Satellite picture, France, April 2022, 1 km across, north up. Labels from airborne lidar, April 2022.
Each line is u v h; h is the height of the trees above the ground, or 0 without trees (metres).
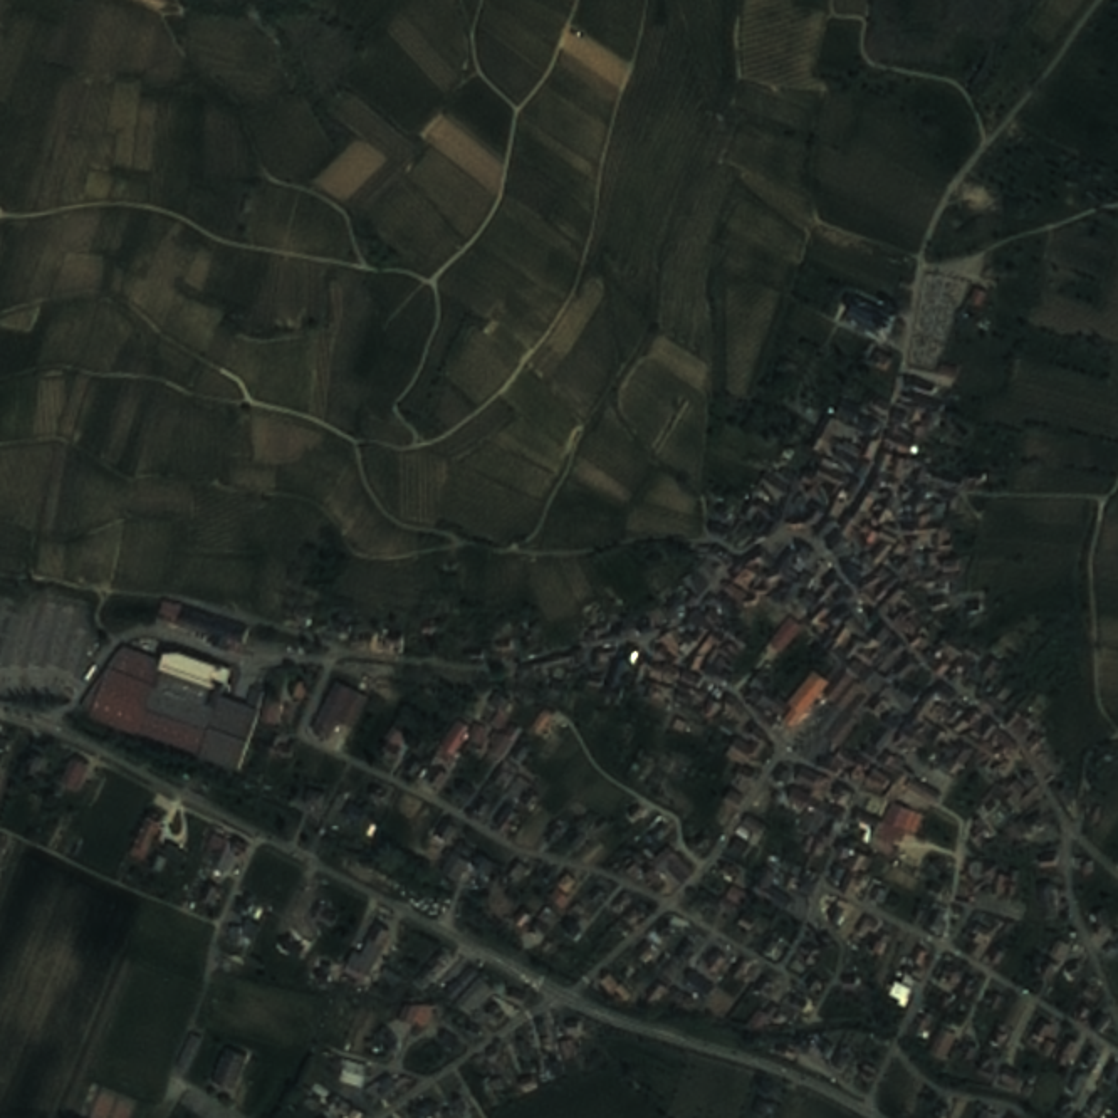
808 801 0
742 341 0
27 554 0
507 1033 0
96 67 0
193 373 0
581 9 0
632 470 0
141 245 0
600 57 0
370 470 0
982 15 0
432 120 0
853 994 8
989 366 0
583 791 0
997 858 10
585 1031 0
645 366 0
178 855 0
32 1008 0
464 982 0
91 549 0
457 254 0
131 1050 0
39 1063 0
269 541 0
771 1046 6
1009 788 0
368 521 0
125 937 0
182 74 0
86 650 0
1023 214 8
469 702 12
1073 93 0
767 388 11
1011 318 0
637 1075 8
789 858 14
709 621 0
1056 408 0
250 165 0
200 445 0
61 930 0
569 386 0
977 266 0
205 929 0
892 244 0
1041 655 6
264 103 0
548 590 0
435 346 0
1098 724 0
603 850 0
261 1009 0
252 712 0
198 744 0
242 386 0
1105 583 0
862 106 0
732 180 0
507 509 0
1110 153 0
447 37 0
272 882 0
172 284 0
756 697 0
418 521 0
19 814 0
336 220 0
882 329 0
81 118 0
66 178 0
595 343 0
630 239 0
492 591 0
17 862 0
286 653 0
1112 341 0
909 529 0
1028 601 0
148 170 0
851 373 7
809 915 0
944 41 0
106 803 0
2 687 0
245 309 0
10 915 0
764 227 0
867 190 0
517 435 0
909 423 0
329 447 0
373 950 0
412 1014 0
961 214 0
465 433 0
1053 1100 0
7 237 0
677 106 0
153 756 17
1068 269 0
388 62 0
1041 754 0
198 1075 0
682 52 0
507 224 0
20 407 0
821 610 0
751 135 0
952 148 0
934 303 0
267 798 0
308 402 0
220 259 0
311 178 0
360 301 0
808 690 0
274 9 8
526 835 0
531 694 0
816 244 0
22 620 0
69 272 0
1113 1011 0
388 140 0
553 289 0
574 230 0
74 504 0
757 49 0
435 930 0
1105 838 0
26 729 0
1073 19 0
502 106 0
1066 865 0
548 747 0
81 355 0
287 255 0
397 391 0
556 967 10
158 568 0
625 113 0
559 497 0
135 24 0
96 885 0
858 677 0
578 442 0
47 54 0
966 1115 0
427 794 0
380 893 0
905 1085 0
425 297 0
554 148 0
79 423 0
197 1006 0
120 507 0
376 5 0
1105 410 0
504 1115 0
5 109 0
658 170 0
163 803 0
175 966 0
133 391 0
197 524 0
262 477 0
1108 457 0
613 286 0
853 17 0
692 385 0
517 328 0
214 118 0
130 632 0
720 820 0
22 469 0
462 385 0
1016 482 0
